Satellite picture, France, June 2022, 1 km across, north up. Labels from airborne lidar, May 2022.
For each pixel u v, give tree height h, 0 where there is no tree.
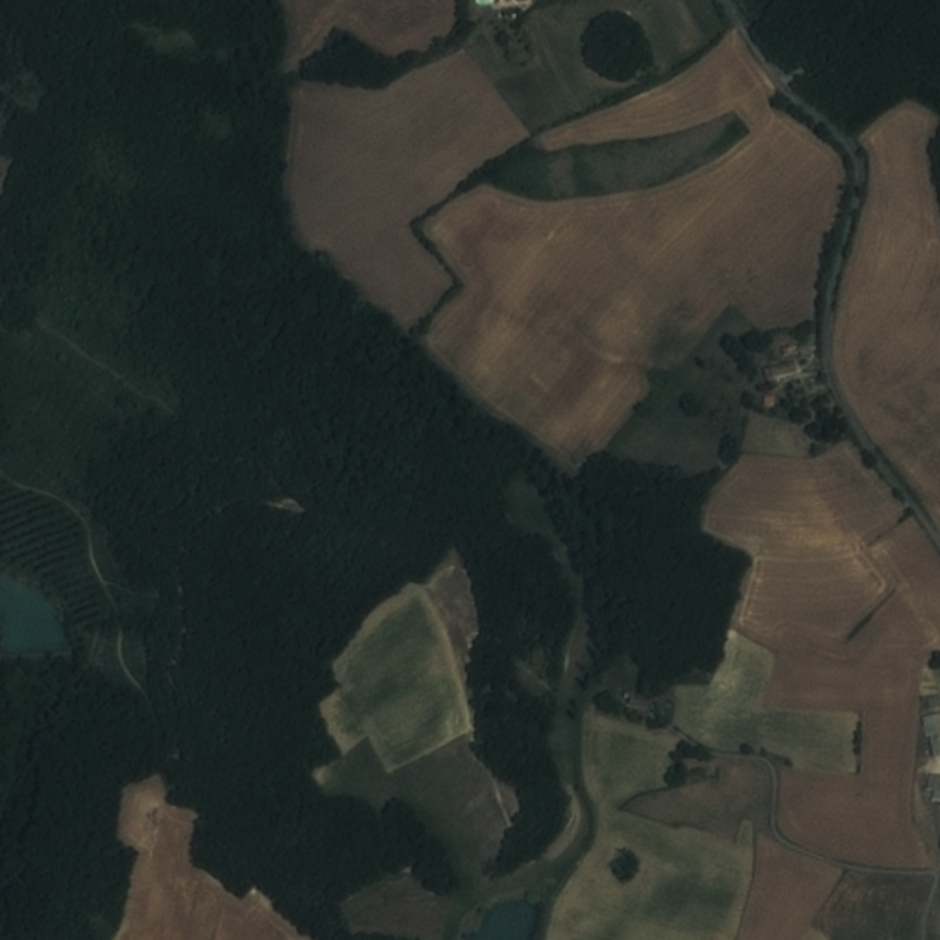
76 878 17
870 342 0
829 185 0
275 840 13
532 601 15
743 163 0
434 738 0
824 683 0
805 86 12
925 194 0
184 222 19
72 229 9
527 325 0
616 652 16
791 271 0
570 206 0
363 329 12
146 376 9
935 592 0
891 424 0
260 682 12
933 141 14
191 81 14
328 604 19
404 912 0
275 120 12
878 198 0
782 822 0
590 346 0
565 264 0
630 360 0
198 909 0
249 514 15
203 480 14
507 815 0
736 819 0
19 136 12
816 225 0
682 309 0
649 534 22
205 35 15
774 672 0
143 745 20
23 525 13
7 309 14
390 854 18
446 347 0
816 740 0
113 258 16
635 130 0
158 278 16
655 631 21
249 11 29
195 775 12
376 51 11
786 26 17
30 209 15
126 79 17
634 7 0
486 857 0
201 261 21
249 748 14
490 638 6
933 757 0
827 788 0
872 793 0
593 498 25
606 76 10
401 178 0
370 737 0
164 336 16
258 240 13
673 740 0
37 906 18
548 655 10
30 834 25
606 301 0
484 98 0
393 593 10
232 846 13
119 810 10
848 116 9
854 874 0
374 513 14
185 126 14
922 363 0
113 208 17
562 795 15
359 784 0
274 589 23
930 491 0
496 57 0
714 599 13
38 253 14
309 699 14
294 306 22
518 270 0
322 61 19
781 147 0
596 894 0
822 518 0
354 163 0
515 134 0
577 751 0
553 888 0
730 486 0
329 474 20
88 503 8
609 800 0
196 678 12
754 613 0
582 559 29
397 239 0
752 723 0
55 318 7
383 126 0
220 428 15
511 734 14
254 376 20
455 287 6
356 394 19
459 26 10
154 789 0
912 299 0
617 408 0
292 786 15
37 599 0
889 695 0
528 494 0
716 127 0
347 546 12
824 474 0
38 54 16
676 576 17
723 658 11
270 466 12
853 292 0
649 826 0
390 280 0
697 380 0
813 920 0
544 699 8
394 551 12
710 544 17
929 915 0
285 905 13
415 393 8
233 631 16
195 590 16
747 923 0
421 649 0
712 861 0
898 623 0
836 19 17
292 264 16
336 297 17
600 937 0
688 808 0
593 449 0
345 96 0
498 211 0
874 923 0
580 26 0
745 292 0
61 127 15
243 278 15
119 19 12
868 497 0
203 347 17
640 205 0
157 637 12
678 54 0
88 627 8
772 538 0
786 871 0
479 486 22
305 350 17
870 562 0
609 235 0
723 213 0
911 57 16
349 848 17
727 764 0
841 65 13
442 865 18
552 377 0
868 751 0
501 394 0
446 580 0
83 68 14
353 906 0
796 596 0
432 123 0
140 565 13
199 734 14
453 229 0
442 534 16
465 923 0
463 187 11
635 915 0
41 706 8
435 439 22
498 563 17
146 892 0
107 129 12
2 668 18
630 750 0
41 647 0
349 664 0
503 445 10
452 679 0
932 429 0
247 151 17
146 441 11
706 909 0
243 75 8
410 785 0
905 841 0
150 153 12
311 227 0
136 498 21
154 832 0
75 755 16
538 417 0
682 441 0
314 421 19
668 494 21
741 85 0
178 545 14
